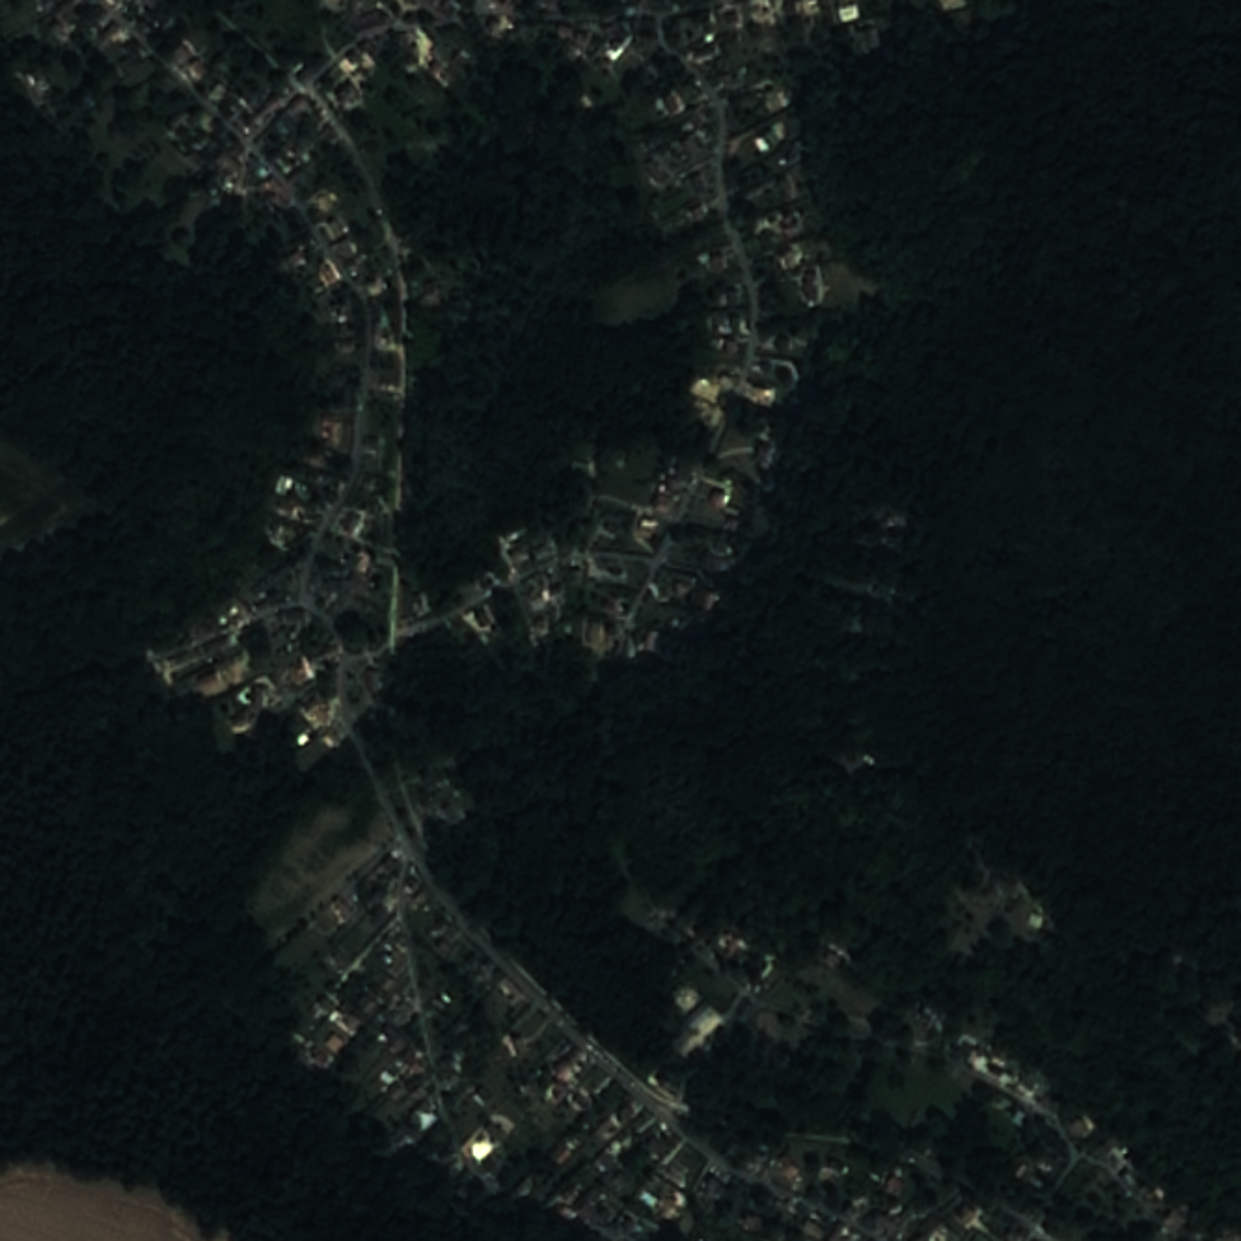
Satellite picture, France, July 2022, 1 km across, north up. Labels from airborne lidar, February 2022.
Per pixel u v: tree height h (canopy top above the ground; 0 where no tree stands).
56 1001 24
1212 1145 24
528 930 8
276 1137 19
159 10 8
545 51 9
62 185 7
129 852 33
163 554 18
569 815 24
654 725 23
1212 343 21
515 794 27
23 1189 0
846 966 16
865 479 14
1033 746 26
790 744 13
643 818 21
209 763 27
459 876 24
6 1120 14
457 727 28
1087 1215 17
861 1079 7
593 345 27
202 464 22
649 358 21
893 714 22
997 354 25
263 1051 25
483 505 33
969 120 21
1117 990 24
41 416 30
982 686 26
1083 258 27
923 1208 12
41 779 22
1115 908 24
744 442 0
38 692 25
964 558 22
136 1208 0
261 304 29
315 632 13
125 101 16
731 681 23
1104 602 23
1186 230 21
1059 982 27
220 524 24
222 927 27
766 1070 35
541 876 27
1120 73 21
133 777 21
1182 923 21
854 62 15
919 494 25
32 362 17
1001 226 20
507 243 20
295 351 15
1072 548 22
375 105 0
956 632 25
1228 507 24
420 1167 21
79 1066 21
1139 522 21
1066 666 28
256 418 24
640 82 20
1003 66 27
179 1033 25
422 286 0
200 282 23
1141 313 18
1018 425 25
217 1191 13
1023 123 17
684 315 19
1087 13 22
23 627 25
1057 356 30
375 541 13
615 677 22
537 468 22
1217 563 20
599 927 11
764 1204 18
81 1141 14
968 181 22
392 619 0
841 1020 18
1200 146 25
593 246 24
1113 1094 9
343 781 10
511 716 26
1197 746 25
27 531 0
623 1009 29
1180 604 20
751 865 19
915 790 22
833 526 26
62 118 6
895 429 11
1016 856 17
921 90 26
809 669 19
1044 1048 12
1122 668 26
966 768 20
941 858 17
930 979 12
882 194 15
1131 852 25
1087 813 27
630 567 0
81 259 28
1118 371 23
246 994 29
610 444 21
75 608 23
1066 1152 15
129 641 24
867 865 15
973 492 24
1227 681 26
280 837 23
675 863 18
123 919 22
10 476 0
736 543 15
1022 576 24
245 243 27
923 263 17
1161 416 24
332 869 0
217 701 7
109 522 15
